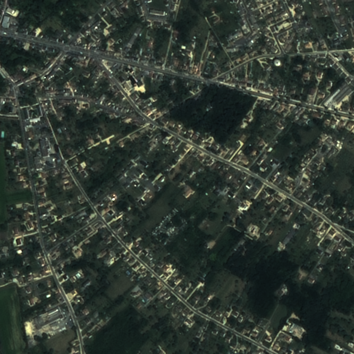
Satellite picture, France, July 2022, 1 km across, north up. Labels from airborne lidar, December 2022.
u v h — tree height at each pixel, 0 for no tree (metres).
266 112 9
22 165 12
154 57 7
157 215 0
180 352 9
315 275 0
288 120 8
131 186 0
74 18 7
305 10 0
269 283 11
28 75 8
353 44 0
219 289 0
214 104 21
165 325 17
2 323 0
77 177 13
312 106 0
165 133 15
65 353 0
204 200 0
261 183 11
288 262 8
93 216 0
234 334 8
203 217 9
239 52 8
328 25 7
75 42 0
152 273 0
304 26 0
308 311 21
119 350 6
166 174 6
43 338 7
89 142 0
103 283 16
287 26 0
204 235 6
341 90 0
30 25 8
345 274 8
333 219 10
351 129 0
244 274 10
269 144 0
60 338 0
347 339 15
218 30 0
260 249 9
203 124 22
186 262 6
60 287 0
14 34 0
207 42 0
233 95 19
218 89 12
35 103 0
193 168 0
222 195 0
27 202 0
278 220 8
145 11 0
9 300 0
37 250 17
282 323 8
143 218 10
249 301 7
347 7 10
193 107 19
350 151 0
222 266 7
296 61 16
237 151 0
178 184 0
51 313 0
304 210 13
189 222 10
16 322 0
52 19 6
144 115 0
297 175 0
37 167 0
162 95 10
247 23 0
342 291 6
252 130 7
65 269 9
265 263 11
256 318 7
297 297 14
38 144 0
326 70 12
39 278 0
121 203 13
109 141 0
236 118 27
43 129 7
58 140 0
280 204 0
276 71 10
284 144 7
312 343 15
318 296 11
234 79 0
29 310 8
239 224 26
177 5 0
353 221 6
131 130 12
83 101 0
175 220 10
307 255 7
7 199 0
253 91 0
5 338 0
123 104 0
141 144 6
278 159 0
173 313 0
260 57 0
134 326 10
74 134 6
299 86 7
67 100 0
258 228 0
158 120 12
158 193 7
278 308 0
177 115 21
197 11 8
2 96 0
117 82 0
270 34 6
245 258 14
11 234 0
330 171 13
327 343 8
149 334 6
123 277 0
